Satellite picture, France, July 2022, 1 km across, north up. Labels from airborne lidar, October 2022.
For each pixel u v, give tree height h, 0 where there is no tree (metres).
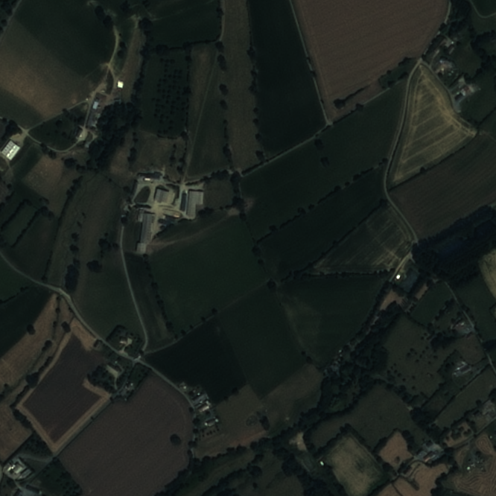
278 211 0
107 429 0
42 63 0
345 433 16
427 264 33
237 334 0
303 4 0
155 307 0
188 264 0
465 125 0
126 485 0
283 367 0
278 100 0
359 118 0
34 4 0
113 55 0
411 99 0
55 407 0
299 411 0
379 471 0
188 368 0
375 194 0
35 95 0
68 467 0
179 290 0
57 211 0
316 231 0
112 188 0
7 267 0
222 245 0
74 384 0
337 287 0
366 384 9
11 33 0
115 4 0
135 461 0
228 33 0
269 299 0
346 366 17
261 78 0
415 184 0
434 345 17
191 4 0
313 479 20
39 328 0
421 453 0
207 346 0
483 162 0
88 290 0
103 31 0
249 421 0
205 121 0
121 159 0
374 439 0
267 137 0
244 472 8
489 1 0
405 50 0
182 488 10
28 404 0
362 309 0
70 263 0
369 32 0
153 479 0
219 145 0
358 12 0
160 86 8
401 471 9
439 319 11
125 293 0
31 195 0
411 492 0
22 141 0
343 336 0
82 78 0
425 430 6
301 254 0
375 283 0
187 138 14
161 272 0
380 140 0
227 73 0
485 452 0
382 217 0
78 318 0
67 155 0
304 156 0
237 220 0
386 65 0
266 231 0
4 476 6
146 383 0
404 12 0
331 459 0
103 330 0
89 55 0
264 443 23
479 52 24
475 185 0
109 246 15
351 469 0
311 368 0
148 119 0
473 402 0
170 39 0
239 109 0
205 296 0
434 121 0
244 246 0
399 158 0
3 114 0
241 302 0
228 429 0
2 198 0
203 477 12
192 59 13
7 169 0
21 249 0
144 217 0
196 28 0
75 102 0
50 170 0
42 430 0
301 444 0
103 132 16
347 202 0
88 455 0
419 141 0
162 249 0
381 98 0
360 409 0
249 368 0
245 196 0
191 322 0
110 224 0
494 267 0
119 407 0
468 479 0
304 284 0
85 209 0
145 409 0
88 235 0
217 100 0
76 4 0
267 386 0
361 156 0
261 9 0
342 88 0
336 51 0
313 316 0
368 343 16
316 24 0
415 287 14
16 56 0
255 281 0
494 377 0
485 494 0
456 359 0
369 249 0
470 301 0
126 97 0
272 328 0
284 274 0
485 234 37
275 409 0
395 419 0
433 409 0
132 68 0
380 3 0
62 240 0
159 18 0
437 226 0
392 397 0
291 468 16
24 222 0
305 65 0
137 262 0
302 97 0
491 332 0
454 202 0
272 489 0
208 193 0
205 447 0
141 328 0
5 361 0
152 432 0
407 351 0
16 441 0
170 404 0
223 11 12
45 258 0
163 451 0
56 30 0
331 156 0
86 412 0
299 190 0
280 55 0
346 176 0
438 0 0
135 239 0
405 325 0
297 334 0
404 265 0
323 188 0
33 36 0
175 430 0
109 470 0
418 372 0
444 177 0
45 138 0
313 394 0
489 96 0
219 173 9
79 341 0
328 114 0
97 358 0
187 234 0
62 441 0
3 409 0
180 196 0
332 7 0
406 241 0
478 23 0
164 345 0
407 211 0
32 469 13
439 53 0
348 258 0
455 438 9
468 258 33
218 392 0
